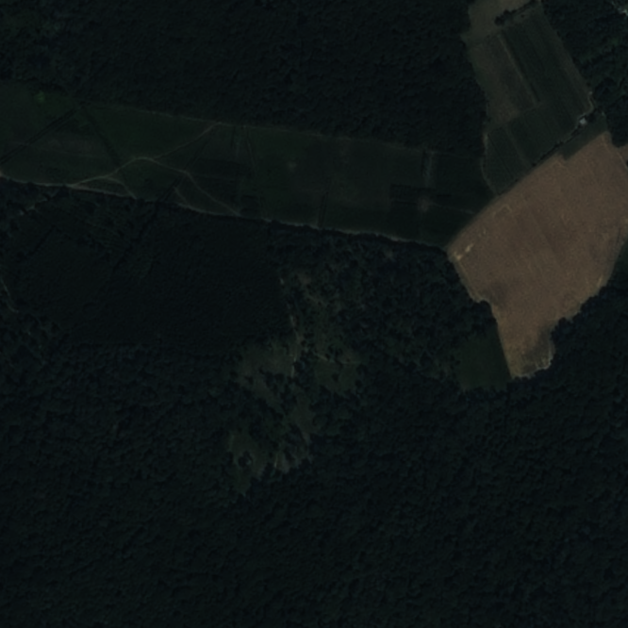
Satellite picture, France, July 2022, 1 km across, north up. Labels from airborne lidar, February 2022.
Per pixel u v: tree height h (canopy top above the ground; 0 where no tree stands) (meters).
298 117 24
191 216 14
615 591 32
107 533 21
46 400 30
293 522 20
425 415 27
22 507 19
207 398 25
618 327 25
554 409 20
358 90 25
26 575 17
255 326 16
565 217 0
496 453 21
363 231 0
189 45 20
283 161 0
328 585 10
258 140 0
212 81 24
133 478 28
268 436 29
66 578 21
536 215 0
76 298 17
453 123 27
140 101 20
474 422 31
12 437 25
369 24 21
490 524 14
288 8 27
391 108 24
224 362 26
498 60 0
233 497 23
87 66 16
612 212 0
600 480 28
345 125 17
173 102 22
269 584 24
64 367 20
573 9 18
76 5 15
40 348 26
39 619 23
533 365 0
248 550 23
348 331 26
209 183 0
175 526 25
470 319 20
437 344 20
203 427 28
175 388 23
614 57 11
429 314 10
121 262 14
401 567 23
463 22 21
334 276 25
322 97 24
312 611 21
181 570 20
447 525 23
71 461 22
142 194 0
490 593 23
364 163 0
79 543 20
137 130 0
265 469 0
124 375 28
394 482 12
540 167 0
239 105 25
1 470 16
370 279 15
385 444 25
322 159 0
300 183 0
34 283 16
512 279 0
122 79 19
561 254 0
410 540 29
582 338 30
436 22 25
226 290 15
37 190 21
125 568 21
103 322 17
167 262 19
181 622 25
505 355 0
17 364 22
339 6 23
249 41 25
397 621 22
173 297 22
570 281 0
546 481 21
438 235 0
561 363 24
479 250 0
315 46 27
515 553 11
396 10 21
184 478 25
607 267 0
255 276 16
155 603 25
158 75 20
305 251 20
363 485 19
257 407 31
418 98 24
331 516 16
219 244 11
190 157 0
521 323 0
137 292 16
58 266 17
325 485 30
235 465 29
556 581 26
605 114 10
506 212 0
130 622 23
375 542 19
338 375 0
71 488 13
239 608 24
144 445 28
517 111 0
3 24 28
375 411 17
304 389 32
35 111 0
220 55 21
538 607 26
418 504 16
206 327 19
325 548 24
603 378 19
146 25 26
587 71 17
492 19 0
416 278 20
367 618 24
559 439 13
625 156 0
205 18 24
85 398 26
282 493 14
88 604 22
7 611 19
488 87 0
